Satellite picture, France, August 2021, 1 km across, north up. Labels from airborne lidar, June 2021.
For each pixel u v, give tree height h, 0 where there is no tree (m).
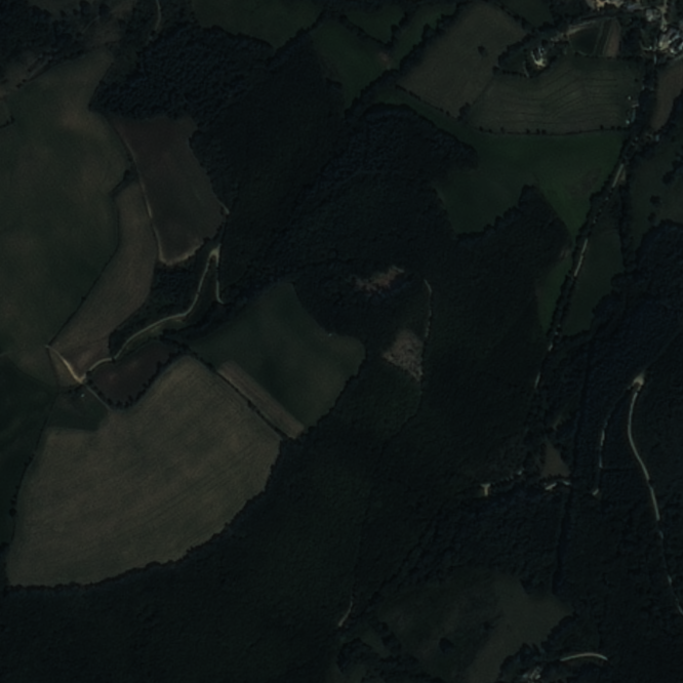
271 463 0
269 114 16
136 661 21
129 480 0
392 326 16
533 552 24
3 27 22
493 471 7
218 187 11
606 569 25
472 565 15
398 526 25
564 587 26
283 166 12
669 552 13
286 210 21
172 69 26
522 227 17
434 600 0
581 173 0
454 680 0
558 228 11
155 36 12
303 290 14
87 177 0
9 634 24
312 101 13
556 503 15
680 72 0
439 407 20
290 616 24
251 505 13
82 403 0
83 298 6
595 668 15
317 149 17
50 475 0
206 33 15
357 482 18
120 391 0
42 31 12
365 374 15
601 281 0
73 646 25
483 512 17
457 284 18
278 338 0
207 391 0
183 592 13
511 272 21
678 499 8
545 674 12
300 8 0
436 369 23
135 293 0
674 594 9
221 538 13
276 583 15
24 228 0
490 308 23
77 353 0
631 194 17
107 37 0
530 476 17
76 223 0
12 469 0
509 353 13
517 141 0
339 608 20
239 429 0
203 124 14
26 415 0
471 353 22
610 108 0
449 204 0
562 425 0
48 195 0
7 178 0
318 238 18
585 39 0
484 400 25
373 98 14
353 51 0
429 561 24
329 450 17
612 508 12
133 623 21
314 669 18
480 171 0
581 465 17
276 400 0
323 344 0
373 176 11
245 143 13
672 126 21
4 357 0
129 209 0
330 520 19
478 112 0
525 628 0
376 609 17
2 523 0
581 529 23
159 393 0
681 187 0
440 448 22
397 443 20
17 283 0
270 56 9
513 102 0
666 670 23
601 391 26
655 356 17
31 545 0
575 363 11
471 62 0
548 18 0
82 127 0
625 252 14
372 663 7
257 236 14
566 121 0
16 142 0
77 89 0
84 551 0
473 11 0
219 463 0
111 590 15
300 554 14
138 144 0
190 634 13
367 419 15
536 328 14
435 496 28
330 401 0
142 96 24
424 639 0
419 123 18
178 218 0
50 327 0
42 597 18
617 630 23
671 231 15
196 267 9
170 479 0
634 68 0
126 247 0
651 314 30
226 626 11
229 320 7
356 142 24
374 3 16
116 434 0
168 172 0
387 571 24
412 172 16
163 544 0
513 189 0
